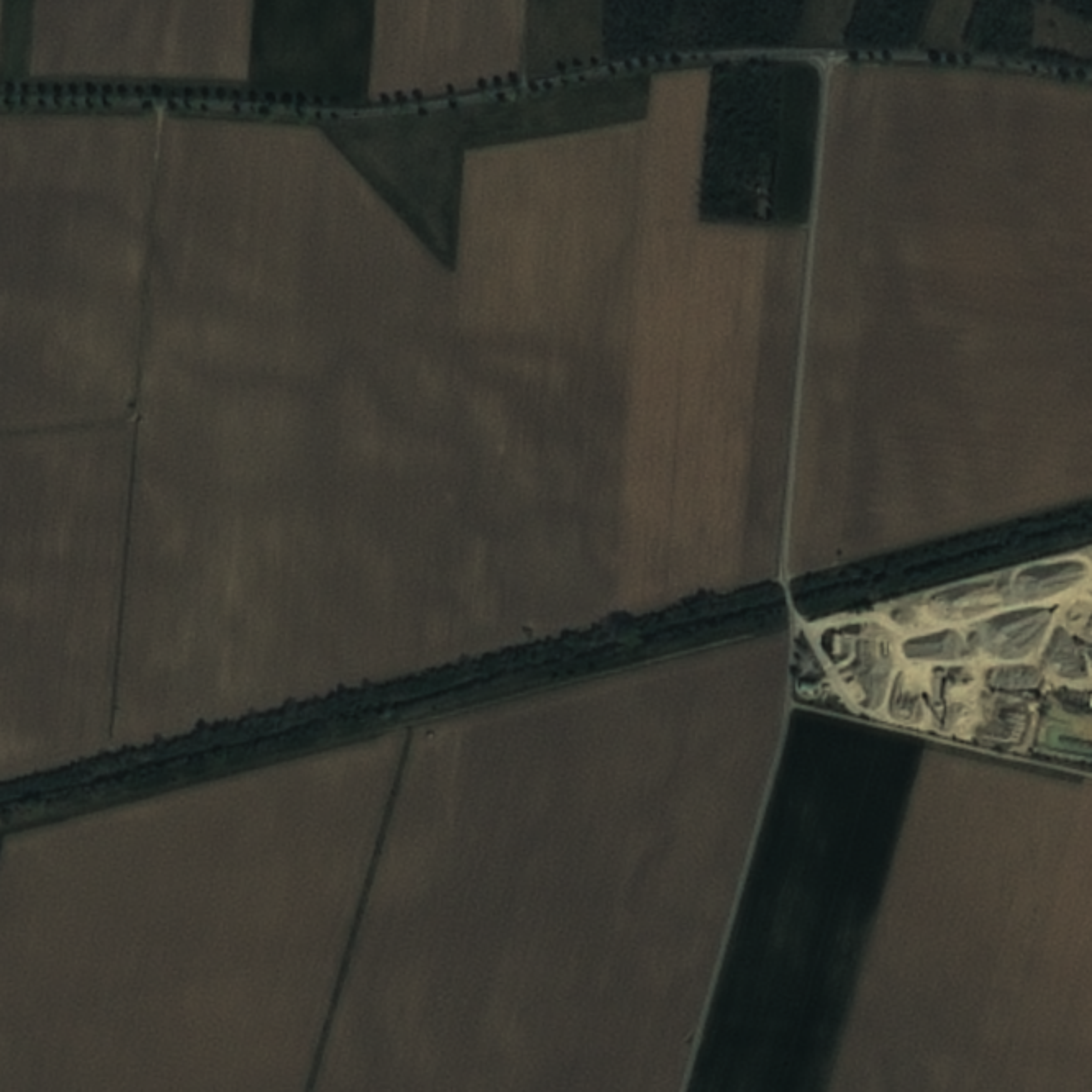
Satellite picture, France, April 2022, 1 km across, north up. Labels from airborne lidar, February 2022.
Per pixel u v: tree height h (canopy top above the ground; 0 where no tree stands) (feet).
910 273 0
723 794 0
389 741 0
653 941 0
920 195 0
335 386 0
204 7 0
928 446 0
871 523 0
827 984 0
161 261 0
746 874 0
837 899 0
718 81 29
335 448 0
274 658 0
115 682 0
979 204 0
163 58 0
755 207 0
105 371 0
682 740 0
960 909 0
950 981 0
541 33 0
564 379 0
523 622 0
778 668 0
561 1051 0
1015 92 0
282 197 0
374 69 0
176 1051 0
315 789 0
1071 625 0
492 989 0
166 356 0
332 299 0
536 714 0
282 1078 0
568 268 0
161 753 22
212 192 0
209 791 0
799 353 0
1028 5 37
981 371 0
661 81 0
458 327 0
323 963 0
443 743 0
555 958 0
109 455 0
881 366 0
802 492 0
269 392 0
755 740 0
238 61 0
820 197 0
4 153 0
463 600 0
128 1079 0
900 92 0
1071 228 0
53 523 0
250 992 0
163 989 0
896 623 0
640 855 0
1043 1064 0
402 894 0
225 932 0
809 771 0
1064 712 0
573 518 0
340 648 0
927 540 0
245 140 0
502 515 0
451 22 0
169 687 0
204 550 0
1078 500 0
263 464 0
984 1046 0
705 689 0
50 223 0
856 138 0
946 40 0
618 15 48
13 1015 0
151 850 0
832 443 0
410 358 0
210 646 0
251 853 0
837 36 0
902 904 0
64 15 0
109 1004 0
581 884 0
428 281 0
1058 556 0
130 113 0
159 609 0
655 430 0
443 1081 0
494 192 0
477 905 0
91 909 0
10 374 0
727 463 0
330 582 0
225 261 0
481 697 0
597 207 0
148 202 0
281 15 0
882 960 0
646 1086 0
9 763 0
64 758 0
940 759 0
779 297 0
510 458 0
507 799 0
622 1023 0
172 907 0
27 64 0
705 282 0
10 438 0
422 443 0
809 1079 0
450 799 0
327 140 0
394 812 0
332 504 0
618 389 0
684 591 0
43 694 0
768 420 0
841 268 0
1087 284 0
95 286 0
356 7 0
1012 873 0
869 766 0
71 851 0
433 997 0
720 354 0
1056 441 0
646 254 0
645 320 0
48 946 0
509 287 0
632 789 0
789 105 0
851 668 0
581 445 0
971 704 0
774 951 0
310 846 0
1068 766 0
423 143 0
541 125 0
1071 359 0
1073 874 0
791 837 0
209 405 0
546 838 0
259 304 0
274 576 0
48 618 0
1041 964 0
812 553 0
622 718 0
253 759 0
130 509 0
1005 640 0
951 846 0
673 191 0
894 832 0
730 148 43
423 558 0
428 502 0
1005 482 0
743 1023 0
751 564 0
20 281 0
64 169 0
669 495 0
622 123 0
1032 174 0
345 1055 0
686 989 0
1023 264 0
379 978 0
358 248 0
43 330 0
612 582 0
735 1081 0
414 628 0
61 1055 0
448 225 0
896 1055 0
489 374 0
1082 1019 0
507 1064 0
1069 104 0
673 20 54
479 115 0
